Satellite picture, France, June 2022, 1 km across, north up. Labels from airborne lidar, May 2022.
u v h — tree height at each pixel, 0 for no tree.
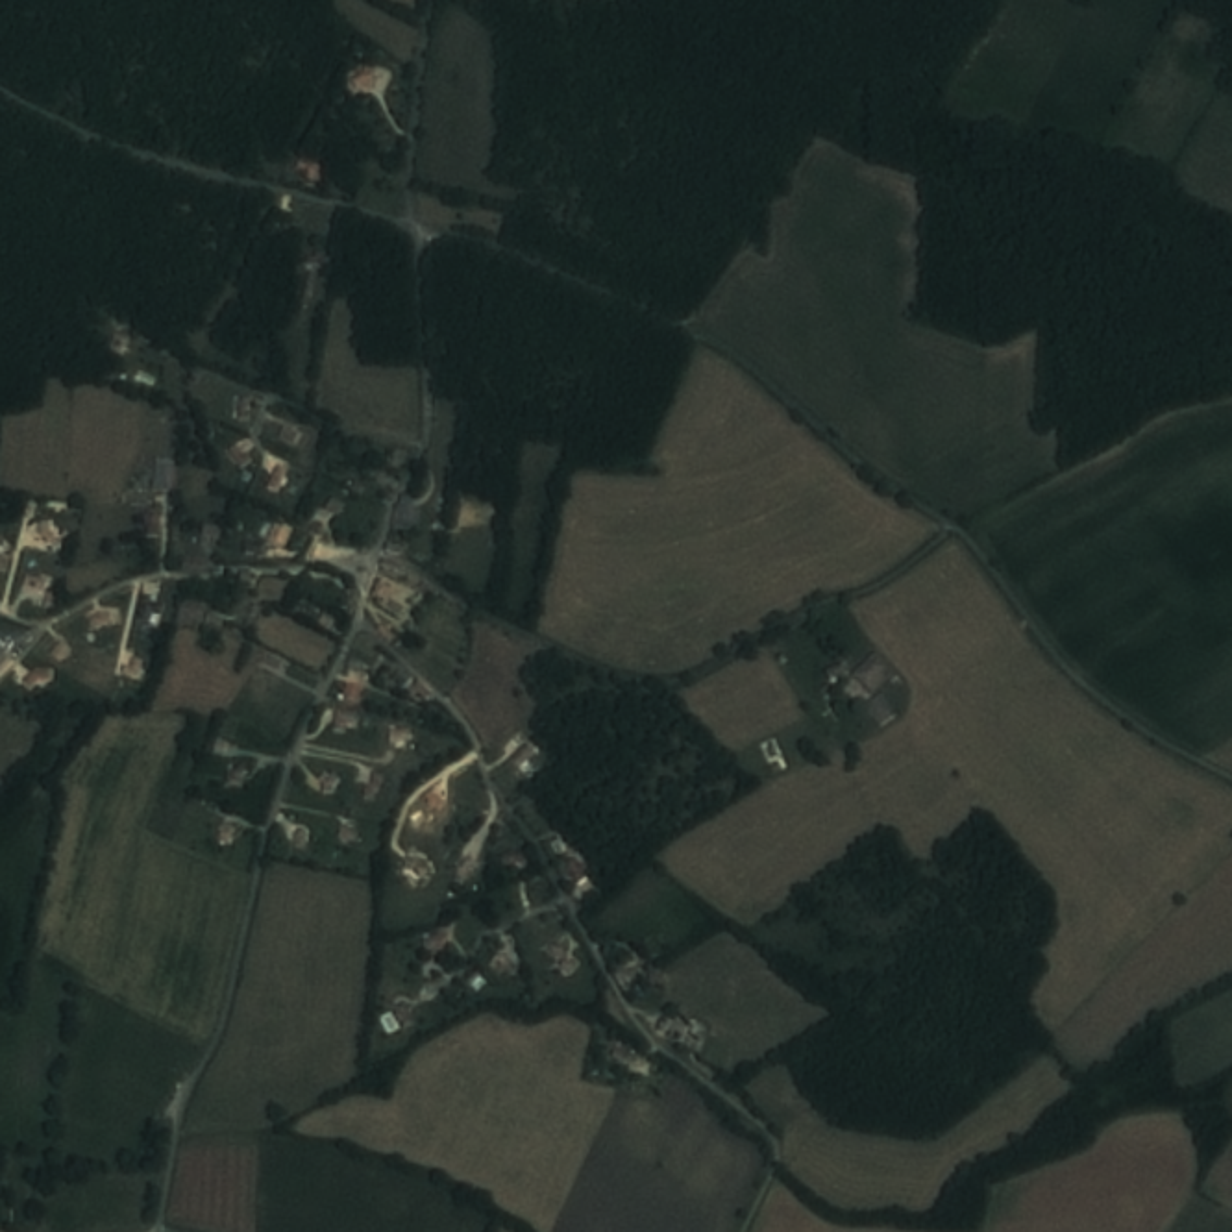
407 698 15
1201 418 0
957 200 15
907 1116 13
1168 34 10
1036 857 0
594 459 12
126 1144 0
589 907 12
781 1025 0
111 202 11
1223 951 0
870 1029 9
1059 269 16
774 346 0
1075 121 0
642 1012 0
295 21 10
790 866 0
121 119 10
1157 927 0
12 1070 0
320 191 10
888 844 13
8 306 11
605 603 0
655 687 16
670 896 0
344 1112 0
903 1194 0
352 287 13
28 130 13
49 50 13
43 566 0
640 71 9
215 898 0
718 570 0
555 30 8
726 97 14
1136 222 17
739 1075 14
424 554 0
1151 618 0
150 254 12
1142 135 0
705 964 0
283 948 0
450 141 0
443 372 13
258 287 13
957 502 0
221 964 0
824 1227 0
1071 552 0
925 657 0
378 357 12
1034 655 0
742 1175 0
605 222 6
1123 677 0
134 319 12
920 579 0
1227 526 0
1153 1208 0
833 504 0
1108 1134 0
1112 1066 9
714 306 0
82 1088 0
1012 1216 0
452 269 13
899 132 17
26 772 13
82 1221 0
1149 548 0
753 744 0
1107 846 0
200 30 9
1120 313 15
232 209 13
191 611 0
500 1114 0
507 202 7
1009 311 17
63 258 13
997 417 0
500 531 12
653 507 0
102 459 0
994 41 0
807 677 0
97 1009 0
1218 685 0
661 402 10
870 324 0
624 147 9
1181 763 0
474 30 0
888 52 19
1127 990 0
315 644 0
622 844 11
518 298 12
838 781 0
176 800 0
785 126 17
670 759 15
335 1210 0
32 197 12
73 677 0
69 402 0
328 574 9
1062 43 0
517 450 12
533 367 9
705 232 12
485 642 0
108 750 0
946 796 0
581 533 0
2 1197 9
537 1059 0
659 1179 0
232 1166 0
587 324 12
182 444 11
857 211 0
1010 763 0
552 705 14
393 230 13
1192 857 0
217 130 8
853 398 0
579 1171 0
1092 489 0
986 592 0
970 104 0
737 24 17
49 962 0
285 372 10
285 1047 0
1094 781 0
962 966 8
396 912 0
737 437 0
